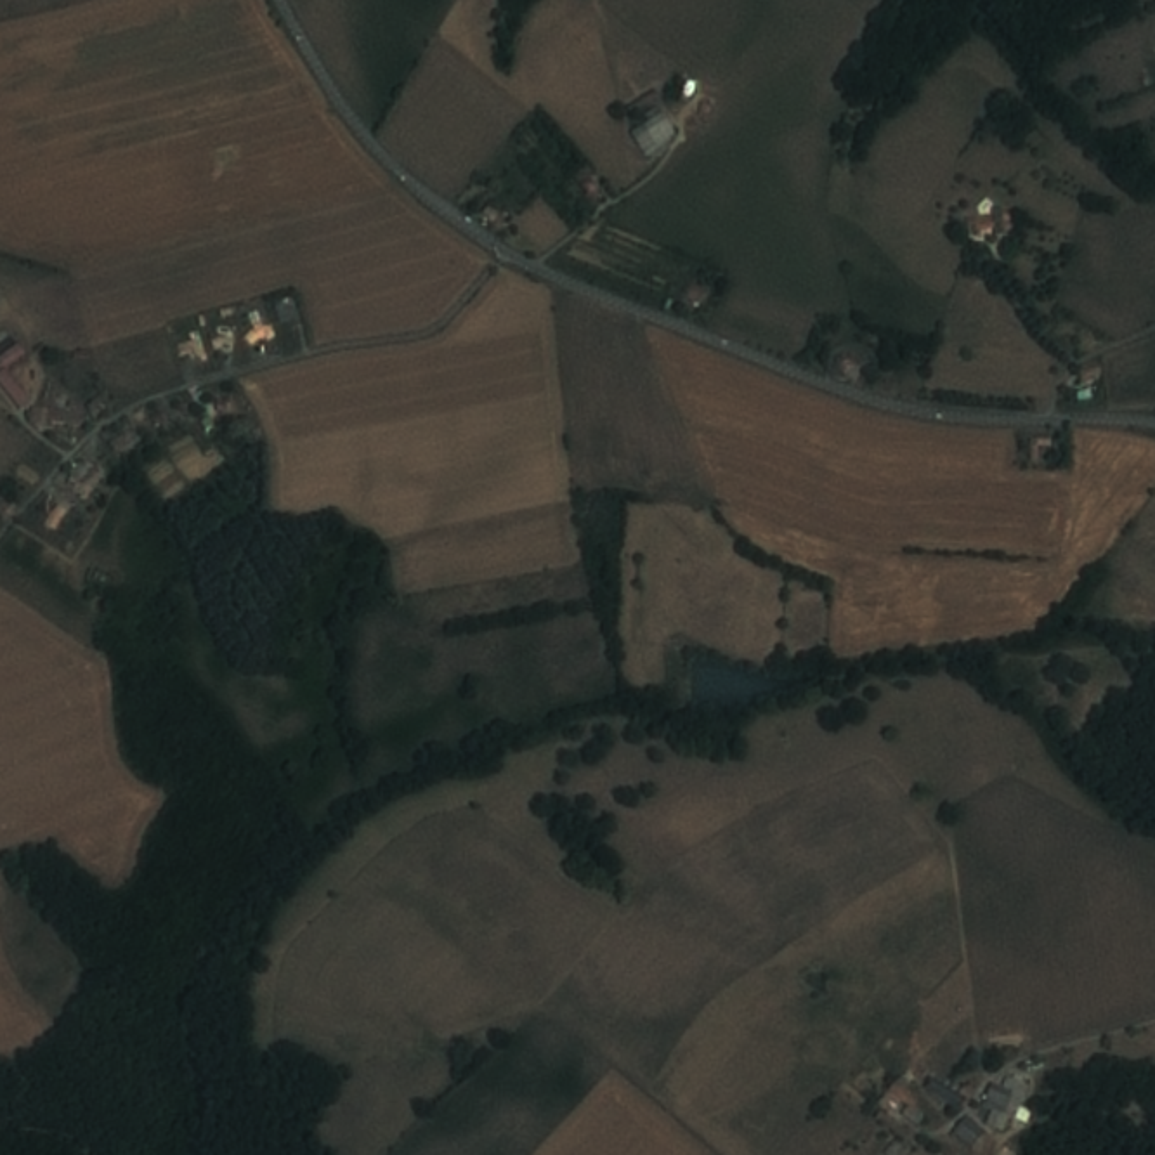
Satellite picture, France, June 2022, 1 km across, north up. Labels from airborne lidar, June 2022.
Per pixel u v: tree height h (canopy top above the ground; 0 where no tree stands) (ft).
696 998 0
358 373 0
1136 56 0
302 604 24
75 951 22
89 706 0
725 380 0
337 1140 0
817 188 0
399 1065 0
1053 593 0
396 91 27
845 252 0
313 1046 0
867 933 0
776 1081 0
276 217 0
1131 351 0
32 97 0
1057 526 0
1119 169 66
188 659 0
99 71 0
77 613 0
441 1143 0
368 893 0
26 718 0
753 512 0
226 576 51
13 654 0
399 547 0
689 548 0
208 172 0
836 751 0
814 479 0
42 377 0
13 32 0
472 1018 0
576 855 41
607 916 0
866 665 37
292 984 0
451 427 0
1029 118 69
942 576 0
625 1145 0
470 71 0
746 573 0
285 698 0
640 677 0
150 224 0
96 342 0
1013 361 0
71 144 0
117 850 0
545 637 0
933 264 0
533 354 0
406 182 0
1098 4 45
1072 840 0
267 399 0
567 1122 0
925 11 61
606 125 0
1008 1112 0
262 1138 85
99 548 0
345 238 0
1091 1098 60
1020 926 0
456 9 0
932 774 0
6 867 58
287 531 51
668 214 0
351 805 57
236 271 0
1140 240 0
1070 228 0
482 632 43
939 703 0
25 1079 59
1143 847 0
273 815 37
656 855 0
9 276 0
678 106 0
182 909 35
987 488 0
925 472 0
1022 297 61
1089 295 0
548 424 0
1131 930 0
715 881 0
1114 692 41
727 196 0
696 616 0
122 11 0
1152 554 0
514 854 0
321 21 0
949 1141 0
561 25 0
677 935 0
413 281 0
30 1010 0
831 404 0
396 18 0
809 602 0
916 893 0
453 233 0
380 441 0
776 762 0
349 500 0
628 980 0
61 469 20
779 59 0
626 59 0
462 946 0
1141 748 53
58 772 0
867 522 0
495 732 65
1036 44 57
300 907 0
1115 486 0
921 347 46
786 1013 0
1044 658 0
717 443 0
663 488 0
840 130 49
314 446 0
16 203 0
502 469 0
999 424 0
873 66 72
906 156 0
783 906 0
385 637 0
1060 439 48
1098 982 0
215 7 0
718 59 0
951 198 0
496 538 0
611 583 24
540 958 0
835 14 0
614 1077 0
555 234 0
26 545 0
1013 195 28
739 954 0
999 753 0
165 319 0
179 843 23
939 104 0
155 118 0
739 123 0
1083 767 63
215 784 31
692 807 0
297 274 0
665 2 0
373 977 0
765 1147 0
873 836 0
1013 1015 0
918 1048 0
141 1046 54
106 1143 32
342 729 42
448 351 0
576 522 22
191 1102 32
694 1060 0
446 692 0
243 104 0
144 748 19
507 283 0
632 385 0
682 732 55
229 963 60
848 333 0
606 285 0
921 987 0
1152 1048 0
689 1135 0
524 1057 0
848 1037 0
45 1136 19
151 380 0
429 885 0
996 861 0
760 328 0
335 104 0
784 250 0
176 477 0
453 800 0
